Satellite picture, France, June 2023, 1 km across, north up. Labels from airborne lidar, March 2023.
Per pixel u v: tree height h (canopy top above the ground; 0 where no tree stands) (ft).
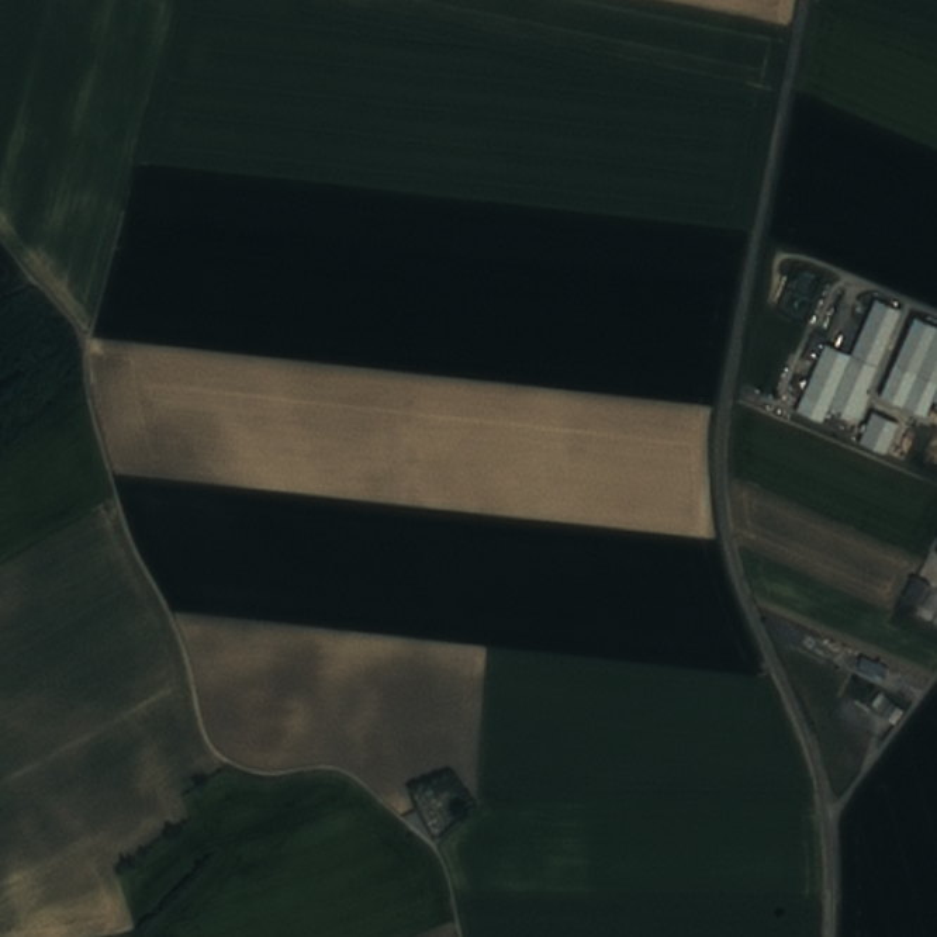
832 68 0
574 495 0
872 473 0
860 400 0
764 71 0
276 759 0
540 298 0
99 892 0
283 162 0
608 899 0
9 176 0
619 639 0
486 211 0
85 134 0
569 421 0
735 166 0
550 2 0
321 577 0
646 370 0
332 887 0
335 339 0
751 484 0
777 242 0
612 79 0
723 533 0
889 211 0
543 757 0
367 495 0
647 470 0
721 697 0
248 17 0
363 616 0
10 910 0
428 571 0
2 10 0
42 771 0
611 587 0
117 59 0
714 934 0
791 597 0
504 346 0
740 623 0
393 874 0
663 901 0
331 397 0
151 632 0
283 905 0
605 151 0
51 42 0
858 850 0
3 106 0
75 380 21
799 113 0
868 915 0
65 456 0
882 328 0
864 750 0
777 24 0
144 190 0
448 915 0
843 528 0
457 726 0
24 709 0
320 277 0
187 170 0
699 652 0
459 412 0
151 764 0
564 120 0
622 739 0
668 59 0
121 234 0
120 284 0
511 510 0
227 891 0
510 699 0
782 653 0
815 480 0
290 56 0
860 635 0
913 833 0
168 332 0
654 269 0
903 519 0
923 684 0
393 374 0
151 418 0
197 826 0
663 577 0
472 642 0
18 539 0
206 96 0
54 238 0
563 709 0
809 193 0
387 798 0
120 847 0
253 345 0
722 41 0
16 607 0
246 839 0
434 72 0
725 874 0
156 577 0
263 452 0
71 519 0
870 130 0
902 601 0
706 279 0
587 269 0
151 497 0
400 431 0
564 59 0
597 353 0
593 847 0
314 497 0
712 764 0
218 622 0
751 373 0
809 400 0
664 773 0
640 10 0
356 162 0
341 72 0
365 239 0
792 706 0
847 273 0
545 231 0
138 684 0
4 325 37
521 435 0
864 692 0
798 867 0
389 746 0
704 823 0
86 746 0
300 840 0
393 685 0
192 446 0
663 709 0
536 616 0
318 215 0
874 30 0
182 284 0
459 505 0
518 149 0
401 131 0
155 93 0
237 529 0
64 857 0
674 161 0
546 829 0
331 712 0
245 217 0
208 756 0
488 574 0
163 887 0
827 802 0
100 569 0
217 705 0
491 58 0
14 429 26
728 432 0
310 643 0
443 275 0
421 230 0
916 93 0
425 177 0
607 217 0
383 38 0
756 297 0
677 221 0
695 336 0
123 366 0
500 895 0
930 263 0
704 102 0
